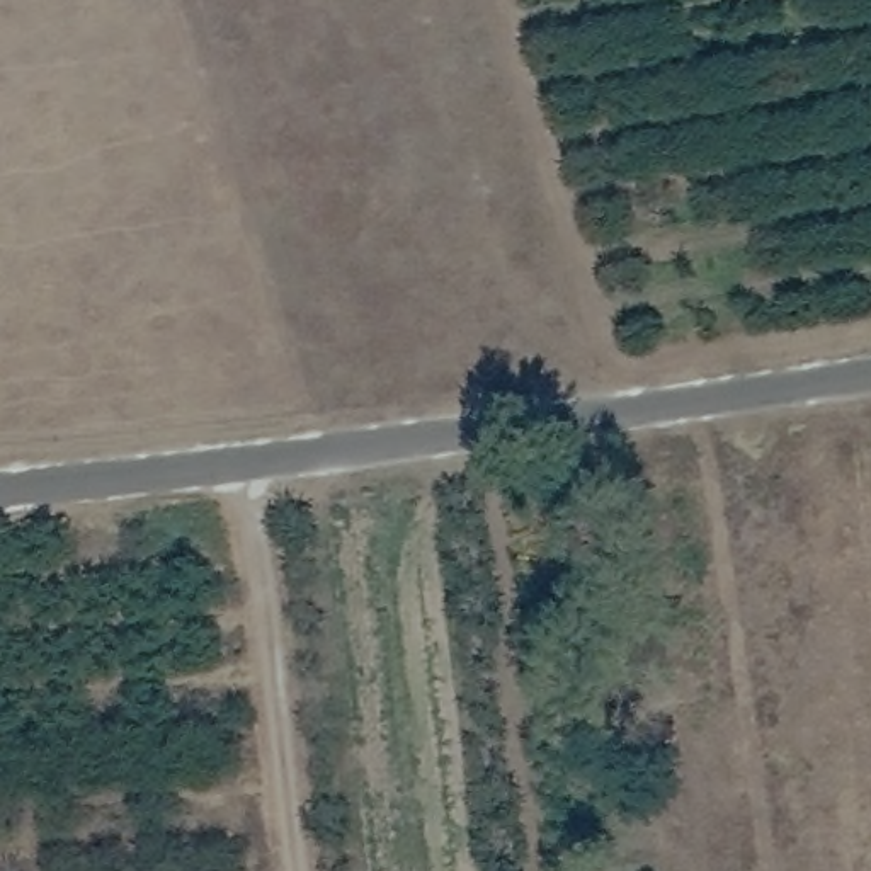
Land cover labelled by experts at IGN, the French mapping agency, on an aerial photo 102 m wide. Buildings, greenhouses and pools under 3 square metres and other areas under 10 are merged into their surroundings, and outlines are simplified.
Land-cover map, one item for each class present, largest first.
<instances>
[{"label":"agricultural land","instance_id":"1","mask_svg":"<svg viewBox=\"0 0 871 871\"><path fill-rule=\"evenodd\" d=\"M504 17L497 0H0V473L194 456L276 442H310L340 432L459 422V449L371 463H337L265 476L272 500L299 497L310 504L316 521V544H306L303 551L316 558L313 602L323 606V623L316 636L293 633V653H296V650H316V653H320V670H313V674H310V677H303V680H296V677L289 674L296 735L310 749V793H344L354 810L347 840H333L330 847L316 844V871H476L470 857L466 766L453 643L442 602V568L436 555L439 514L432 487L439 476L463 470L466 446L476 442V432L487 418L493 395L541 398V408L551 418L572 422L575 408L568 401L575 398V384H558L551 367L572 347L568 333L585 323L582 296L589 289H578V282L572 279L565 259L578 245H572L561 235V228L544 214L538 167L527 160L524 136L510 126V116L521 109L514 88L524 78L514 68L507 71L500 61L476 65L473 58ZM650 432H684L687 439H694L701 473L697 493L711 531V558L701 585L704 602L718 599L728 619V653L718 657V684H701L694 704H677L670 711V745H677V796L667 800L660 813L667 820L640 840V851L653 854V871H871V391L817 395L783 405L657 418L636 422L626 432L633 442ZM514 510L500 493H487L483 514L493 551L507 548V514ZM483 680L497 684V704L504 714V759L514 772L521 800L524 871H544L538 840L544 810L534 796L538 779L521 745L524 738H531L534 725L527 718V694L517 684L514 650L504 643L493 653V667L483 670Z\"/></svg>","mask_w":871,"mask_h":871},{"label":"deciduous trees","instance_id":"2","mask_svg":"<svg viewBox=\"0 0 871 871\"><path fill-rule=\"evenodd\" d=\"M582 3L599 7L636 0H521L527 17L544 10L568 14ZM779 0H718L694 10H684L677 3L674 10L657 14H619L585 20L578 27H541L534 34L521 31V54L538 85L551 75H599L612 68H640L660 58L691 54L697 44H704V37H694V24L728 31L732 24L779 17ZM800 14L830 17L827 27L871 24V0H796ZM813 88L820 92L817 105L779 116L766 112V102L803 95ZM541 109L558 146L568 136H589L592 119H609V129L629 122H667V133H636L623 136L616 146H589L558 157L561 180L575 194L578 231L589 245H595L599 255L612 248H629L633 211L670 194L674 180L663 177L677 170L687 177V204L694 221L745 225L749 238L742 248L749 252V262L759 272H769L776 282L772 293L762 296L745 286L728 289V303L735 306L749 333L800 330L871 316V214L844 225H810L789 235H776L769 221L803 211H844L871 201V37L752 54H714L697 71L674 68L640 85L612 82L606 88H568L548 92L541 99ZM653 259L643 255L606 269L595 265V282L606 293L643 289ZM616 344L626 354H650L660 344L663 316L653 306L650 316H640L633 323L612 320ZM439 514L436 555L442 568V602L453 643L466 766L470 857L476 871H524L521 800L514 772L504 759V714L497 704V684L483 680V670L493 667V653L504 643L514 650L517 684L527 694V718L534 725L531 738H524L521 745L538 779L534 796L544 810L538 840L544 871H612L609 830L599 834V840L578 844L565 830V820L575 810V803L582 800L585 806H592L602 823L616 813L650 820L660 813L667 800L677 796V745H670L643 755L619 752L616 738L606 732L602 711L606 697L626 691V660L646 667L657 650L670 646L677 633V616L663 609L667 544L660 527V504L650 497V480L633 442L626 432H575L572 422L551 418L541 408V398L493 395L487 418L476 432V442L466 446L463 470L439 476L432 487ZM487 493H500L514 510L527 507V497H538L541 521L555 534L551 541L538 544V558L572 561V568L558 578L551 599L538 609L531 623L517 612L514 619H507L500 616L493 551L483 514ZM265 531L269 541L279 548V572L286 585L282 619L293 633L316 636L323 623V606L313 602L316 558L303 551L306 544H316V521L310 504L299 497L272 500L265 507ZM82 558L65 514H48V521L34 524L17 538L0 524V837H10L20 827V810L34 806L41 871H245V834H228L225 827H167L163 820L184 806L180 789H211L225 776H238L242 738L252 735V701L245 691L191 687L187 697L177 701L167 691V677L174 674H197L221 663V629L214 616L225 606V585L238 578L235 572L221 575L211 561L197 568L180 558L174 565L146 572H105L75 578L68 575V565H78ZM112 670H122V684L112 694V701L99 708L88 701V684ZM99 789L122 793L136 827L133 847H122L119 834H95L88 840L75 837V827L85 817H92V793ZM313 670H320V653H316V650H296V653H293V657H289V674L296 677V680H303V677H310V674H313ZM299 820L316 844L330 847L333 840H347L354 810L344 793H310V800L299 810Z\"/></svg>","mask_w":871,"mask_h":871},{"label":"herbaceous vegetation","instance_id":"3","mask_svg":"<svg viewBox=\"0 0 871 871\"><path fill-rule=\"evenodd\" d=\"M677 3L684 10H694L718 0H636L599 7L582 3L568 14L544 10L527 17L521 0H497L504 17L473 58L476 65L500 61L507 71L514 68L524 78L514 88L521 109L510 116V126L524 136L527 160L538 167L544 214L561 228V235L572 245H578L565 259L572 279L578 282V289H589L582 296L585 323L568 333L572 347L551 367L558 384H575V398L568 401L575 408L578 401H616L657 391H684L704 384L871 361V316L800 330L749 333L735 306L728 303V289L745 286L762 296L772 293L776 282L769 272H759L749 262V252L742 248L749 238L745 225L694 221L687 204V177L677 170L663 177L674 180L670 194L633 211L629 248H612L599 255L595 245H589L578 231L575 194L561 180L558 157L589 146H616L623 136L636 133H667V122H629L609 129V119H592L589 136H568L558 146L541 109V99L548 92L568 88H606L612 82L640 85L674 68L697 71L714 54H752L871 37V24L827 27L830 17L800 14L796 0H779V17L732 24L728 31L694 24V37H704V44H697L691 54L660 58L640 68H612L599 75H551L538 85L521 54V31L534 34L541 27H578L585 20L619 14H657L674 10ZM643 255L653 259L643 289L606 293L595 282V265L606 269ZM653 306L663 316L660 344L650 354H626L616 344L612 320L633 323L640 316H650ZM820 92L813 88L803 95L766 102V112L779 116L817 105ZM871 214V201L844 211H803L769 221L776 235H789L810 225H844ZM650 480V497L660 504V527L667 544L663 609L677 616V633L670 646L657 650L646 667L626 660V691L606 697L602 711L606 732L616 738L619 752L643 755L670 745V711L677 704H694L701 684H718V657L728 653V619L718 599L704 602L701 585L711 558V531L697 493L701 473L694 439H687L684 432H650L633 442ZM214 483L54 500L48 510L37 507L24 517H10L7 510H0V524L17 538L34 524L48 521V514H65L82 558L78 565H68V575L75 578L105 572H146L174 565L180 558L197 568L211 561L221 575L235 572L228 531L214 500ZM191 687L245 691L252 701L262 691V667L245 646V629H221V663L197 674H174L167 677V691L177 701L187 697ZM122 684V670H112L88 684V701L99 708L112 701V694ZM262 769L252 735L242 738L238 776H225L211 789H180L184 806L163 820L167 827H225L228 834H245V871H279L265 844L259 810ZM92 817H85L75 827V837L88 840L95 834H119L122 847H133L136 827L122 793L99 789L92 793ZM667 820L660 813L650 820L616 813L602 823L592 806H585L582 800L575 803V810L565 820V830L578 844L599 840V834L609 830L612 871H653V854L640 851V840ZM0 871H41L34 806L20 810V827L10 837H0Z\"/></svg>","mask_w":871,"mask_h":871},{"label":"impervious surface","instance_id":"4","mask_svg":"<svg viewBox=\"0 0 871 871\"><path fill-rule=\"evenodd\" d=\"M871 391V361L704 384L684 391H657L616 401H578L575 408L572 422L575 432H626L636 422L657 418L783 405L817 395ZM459 422L340 432L310 442H276L194 456L0 473V510H7L10 517H24L37 507L48 510L54 500L214 483L265 476L337 463H371L459 449Z\"/></svg>","mask_w":871,"mask_h":871},{"label":"pervious surface","instance_id":"5","mask_svg":"<svg viewBox=\"0 0 871 871\"><path fill-rule=\"evenodd\" d=\"M214 500L228 531L235 572L238 578L225 585V606L214 616L221 629H245V646L262 667V691L252 701V735L262 769L259 810L265 844L279 871H316V844L299 820V810L310 800V749L296 735L289 674V657H293V633L282 619L286 585L279 572V548L269 541L265 531V507L272 500L265 476L214 483Z\"/></svg>","mask_w":871,"mask_h":871},{"label":"brushwood","instance_id":"6","mask_svg":"<svg viewBox=\"0 0 871 871\"><path fill-rule=\"evenodd\" d=\"M527 507L514 510L507 514V548L493 551L500 616L507 619H514L517 612L531 623L538 609L551 599L558 578L572 568V561L538 558V544L551 541L555 534L541 521L538 497H527Z\"/></svg>","mask_w":871,"mask_h":871}]
</instances>
